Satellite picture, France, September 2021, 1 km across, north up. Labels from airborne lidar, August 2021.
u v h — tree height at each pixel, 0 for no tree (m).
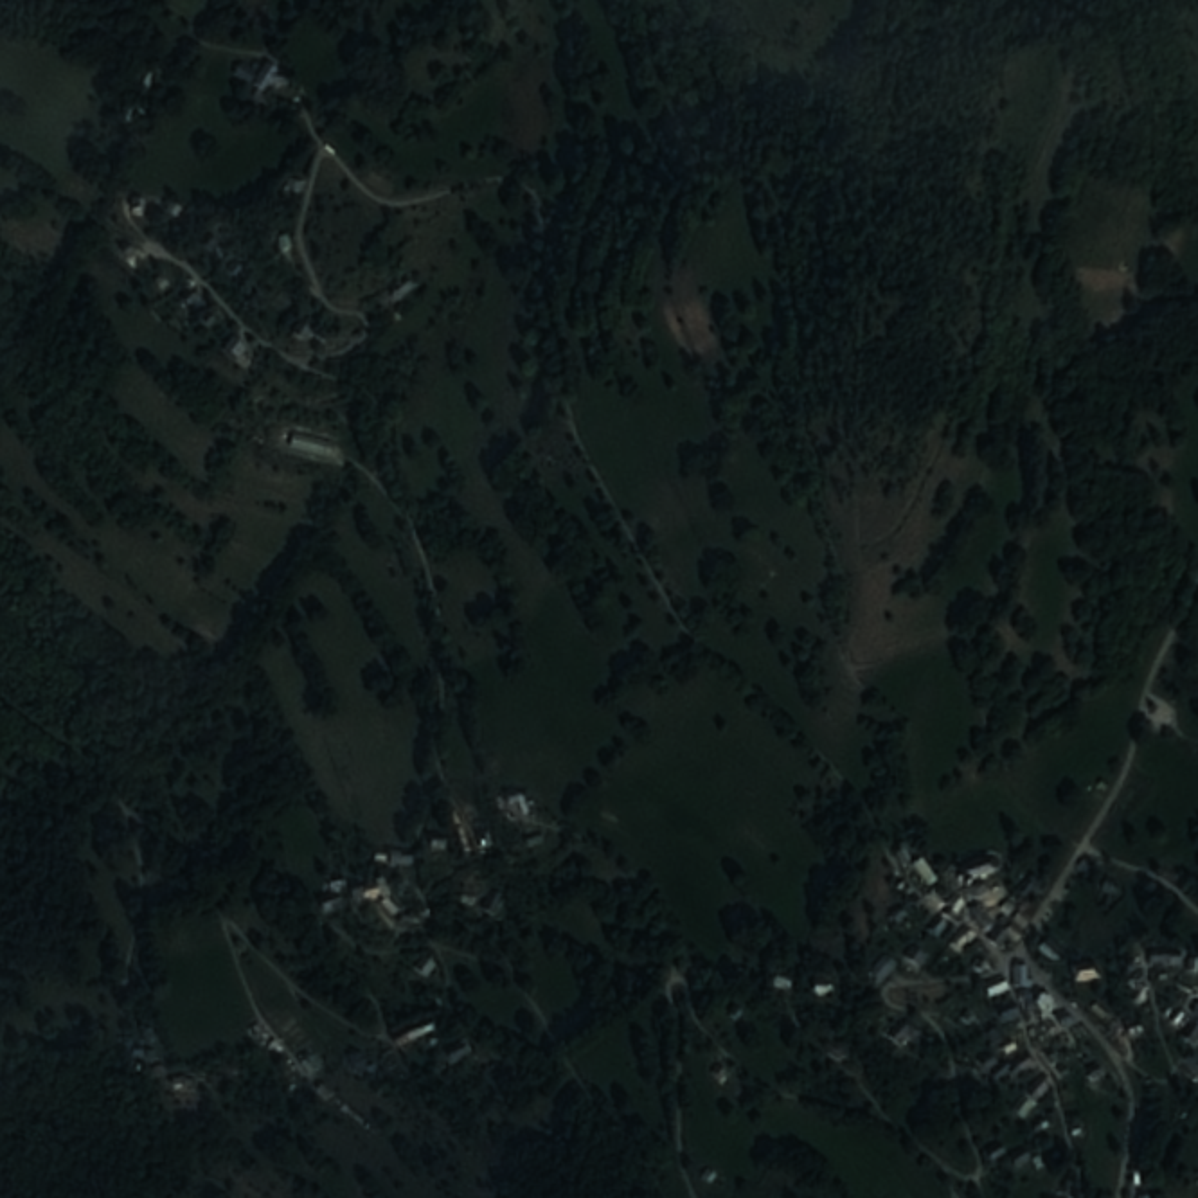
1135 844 11
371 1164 0
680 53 22
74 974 22
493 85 0
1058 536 0
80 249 20
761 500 0
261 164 0
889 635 0
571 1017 0
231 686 21
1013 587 12
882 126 10
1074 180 17
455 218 0
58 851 25
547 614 0
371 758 0
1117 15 12
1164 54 22
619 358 17
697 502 0
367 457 18
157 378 17
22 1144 18
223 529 14
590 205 11
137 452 15
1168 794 0
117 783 19
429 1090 16
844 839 22
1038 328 9
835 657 0
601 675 0
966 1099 20
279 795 12
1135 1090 0
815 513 13
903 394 15
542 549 14
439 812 19
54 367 16
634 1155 17
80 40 12
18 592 12
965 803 0
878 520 0
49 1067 23
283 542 0
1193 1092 6
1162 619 19
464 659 9
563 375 18
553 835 0
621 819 0
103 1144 26
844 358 22
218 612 0
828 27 0
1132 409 17
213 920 8
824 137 13
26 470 0
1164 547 18
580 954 17
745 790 0
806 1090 8
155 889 0
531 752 0
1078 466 17
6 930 22
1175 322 23
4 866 20
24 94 0
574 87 23
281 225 5
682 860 0
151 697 7
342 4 15
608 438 0
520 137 0
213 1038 0
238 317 10
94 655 18
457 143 0
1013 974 0
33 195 14
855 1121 14
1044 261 18
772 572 0
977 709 11
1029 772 0
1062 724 22
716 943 0
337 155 0
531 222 9
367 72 24
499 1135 11
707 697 0
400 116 14
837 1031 15
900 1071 5
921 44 22
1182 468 0
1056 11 21
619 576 10
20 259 9
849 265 11
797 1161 21
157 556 0
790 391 17
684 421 0
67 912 26
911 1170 0
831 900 20
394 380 14
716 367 0
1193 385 0
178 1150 25
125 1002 15
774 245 12
